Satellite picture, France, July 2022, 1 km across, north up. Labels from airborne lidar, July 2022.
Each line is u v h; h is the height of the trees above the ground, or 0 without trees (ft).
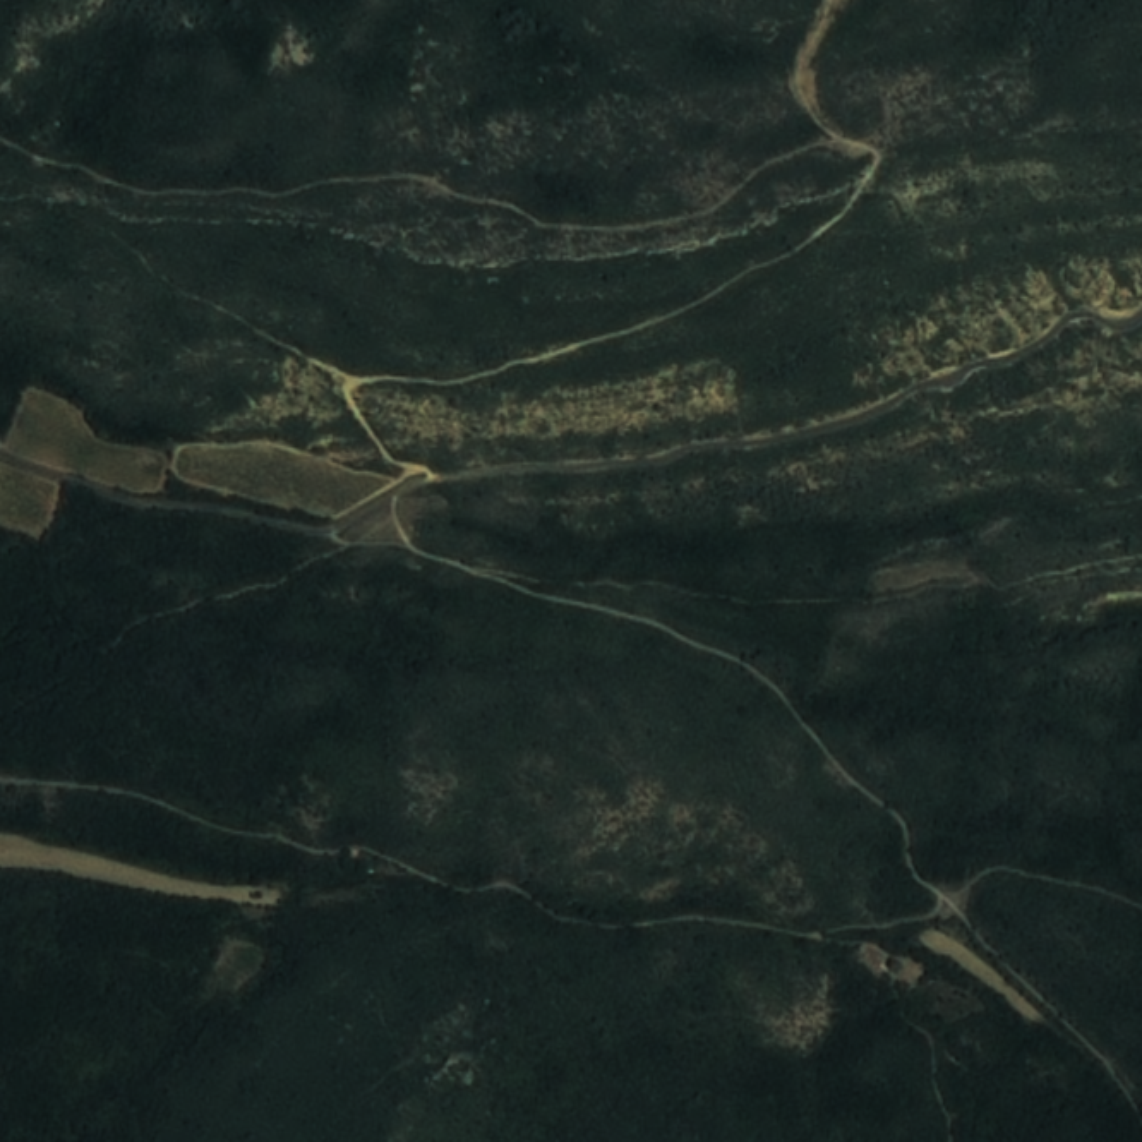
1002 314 0
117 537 20
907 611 0
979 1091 20
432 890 33
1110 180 24
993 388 25
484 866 24
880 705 26
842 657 0
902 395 0
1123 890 18
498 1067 20
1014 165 0
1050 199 0
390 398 0
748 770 0
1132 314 0
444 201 0
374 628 19
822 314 0
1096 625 32
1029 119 0
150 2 19
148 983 18
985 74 0
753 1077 20
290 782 19
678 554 26
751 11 0
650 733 25
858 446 0
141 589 23
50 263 30
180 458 0
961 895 0
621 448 0
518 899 18
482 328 0
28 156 0
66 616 21
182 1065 23
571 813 0
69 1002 18
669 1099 20
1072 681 23
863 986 19
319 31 25
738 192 0
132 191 0
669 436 0
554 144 0
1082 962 22
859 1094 22
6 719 26
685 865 19
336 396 0
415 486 0
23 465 0
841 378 0
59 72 24
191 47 20
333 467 0
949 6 0
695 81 0
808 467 21
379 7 0
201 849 19
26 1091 24
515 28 49
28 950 18
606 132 0
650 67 0
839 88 0
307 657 20
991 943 21
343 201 0
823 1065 28
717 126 0
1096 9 27
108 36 18
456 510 0
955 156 0
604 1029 29
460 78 0
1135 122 0
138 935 17
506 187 0
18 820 23
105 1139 33
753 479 20
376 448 0
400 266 0
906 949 18
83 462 0
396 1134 0
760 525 18
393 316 0
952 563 0
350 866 37
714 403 0
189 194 0
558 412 0
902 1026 29
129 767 22
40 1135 18
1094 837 18
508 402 0
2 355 30
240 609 19
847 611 0
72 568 18
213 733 20
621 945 18
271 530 22
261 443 0
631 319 0
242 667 26
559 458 0
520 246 0
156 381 25
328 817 32
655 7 0
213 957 32
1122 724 22
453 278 0
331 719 19
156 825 20
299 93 0
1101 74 0
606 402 0
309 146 0
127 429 21
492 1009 21
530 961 20
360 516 0
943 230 0
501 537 27
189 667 22
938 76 0
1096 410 0
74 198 25
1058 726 19
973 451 18
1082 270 0
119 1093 25
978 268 0
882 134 0
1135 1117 24
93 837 22
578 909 27
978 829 20
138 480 0
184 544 22
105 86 25
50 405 0
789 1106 28
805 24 0
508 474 0
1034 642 22
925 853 22
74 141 18
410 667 23
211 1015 27
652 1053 21
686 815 0
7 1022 20
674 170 0
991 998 19
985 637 29
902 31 0
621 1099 24
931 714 21
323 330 0
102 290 0
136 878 0
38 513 0
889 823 18
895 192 0
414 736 0
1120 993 19
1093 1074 18
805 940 27
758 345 0
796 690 20
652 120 0
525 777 0
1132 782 28
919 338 0
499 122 0
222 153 0
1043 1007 32
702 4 0
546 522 31
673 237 0
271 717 18
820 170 0
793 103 0
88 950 22
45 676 31
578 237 0
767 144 0
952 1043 21
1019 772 22
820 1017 0
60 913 31
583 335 0
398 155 0
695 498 22
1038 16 26
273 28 20
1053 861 18
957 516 23
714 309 0
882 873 24
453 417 0
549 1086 20
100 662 28
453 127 0
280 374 0
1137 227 0
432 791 0
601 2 0
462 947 23
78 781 17
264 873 25
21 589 30
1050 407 0
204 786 20
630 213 0
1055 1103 25
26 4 22
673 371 0
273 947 34
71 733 20
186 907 21
